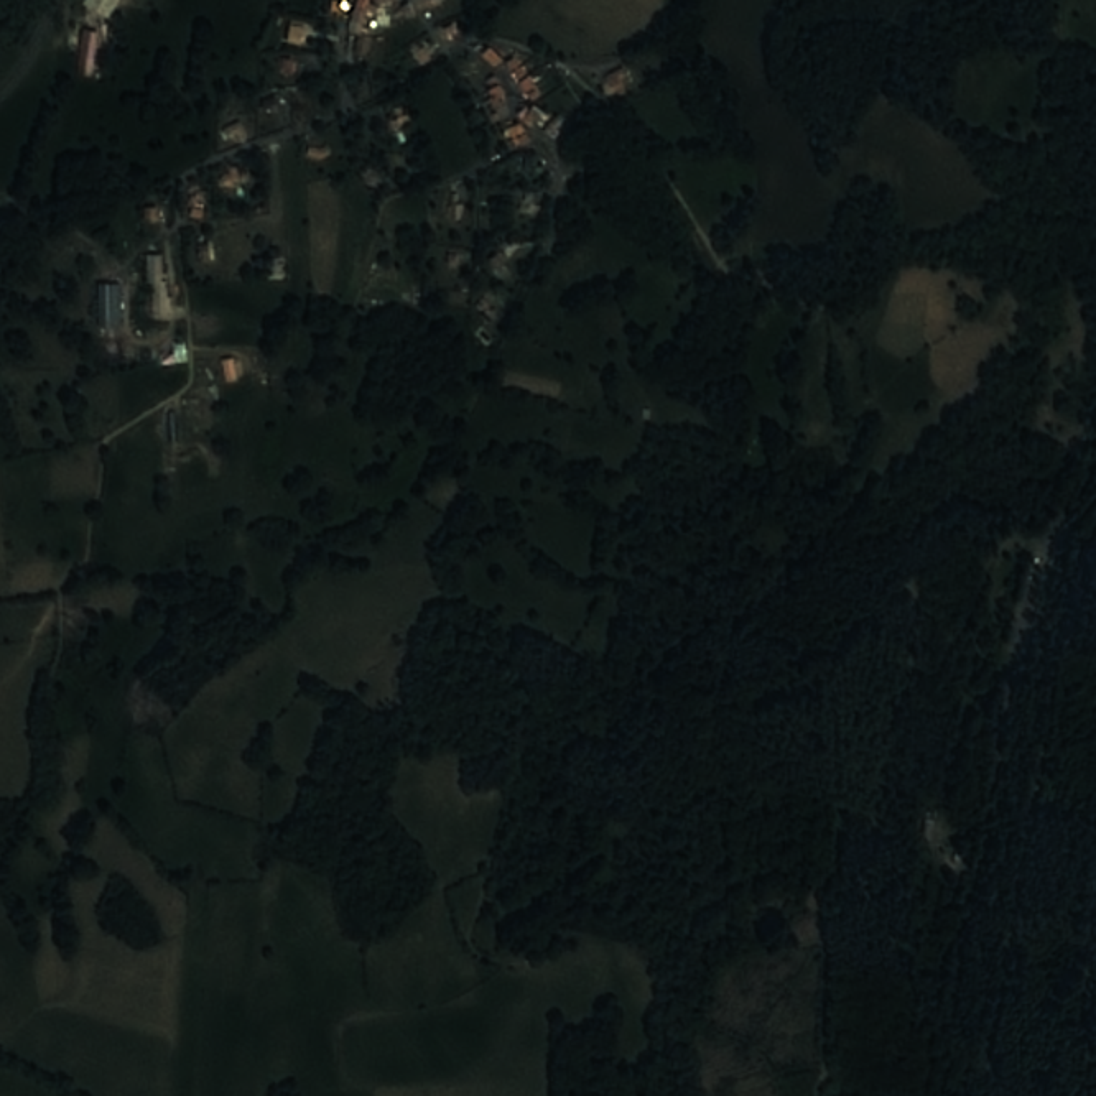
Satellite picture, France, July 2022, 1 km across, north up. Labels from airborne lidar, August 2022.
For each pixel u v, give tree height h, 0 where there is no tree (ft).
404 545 0
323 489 28
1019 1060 90
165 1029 0
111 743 0
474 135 42
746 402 80
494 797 0
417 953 0
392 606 0
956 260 53
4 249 67
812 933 0
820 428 0
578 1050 56
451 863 0
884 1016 25
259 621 42
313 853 36
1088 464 24
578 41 0
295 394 45
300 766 0
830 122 44
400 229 33
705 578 78
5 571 0
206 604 35
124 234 0
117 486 0
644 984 0
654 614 75
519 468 0
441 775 0
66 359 0
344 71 46
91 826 60
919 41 36
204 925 0
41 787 70
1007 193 48
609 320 0
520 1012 0
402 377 52
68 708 0
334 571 42
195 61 41
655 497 66
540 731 74
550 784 70
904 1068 78
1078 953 20
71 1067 0
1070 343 0
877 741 112
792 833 56
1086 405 47
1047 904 19
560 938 39
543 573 66
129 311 0
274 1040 0
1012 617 34
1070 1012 50
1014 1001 86
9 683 0
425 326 40
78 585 58
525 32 0
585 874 49
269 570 0
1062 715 33
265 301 0
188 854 0
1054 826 82
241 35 0
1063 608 63
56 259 0
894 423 0
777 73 58
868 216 44
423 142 50
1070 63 75
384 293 0
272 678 0
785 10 62
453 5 0
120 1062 0
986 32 35
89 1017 0
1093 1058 53
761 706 97
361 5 0
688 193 0
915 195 0
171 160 0
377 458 41
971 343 0
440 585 43
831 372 52
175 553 0
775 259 83
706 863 60
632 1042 0
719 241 54
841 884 75
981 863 21
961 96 0
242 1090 0
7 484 0
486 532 62
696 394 73
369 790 50
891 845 93
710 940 79
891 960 72
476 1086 0
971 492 49
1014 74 0
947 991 90
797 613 52
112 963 0
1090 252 95
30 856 0
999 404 71
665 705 70
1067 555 79
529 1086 0
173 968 0
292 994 0
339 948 0
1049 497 55
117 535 0
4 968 0
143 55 21
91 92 0
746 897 27
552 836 65
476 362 0
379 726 37
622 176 63
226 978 0
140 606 43
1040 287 67
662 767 63
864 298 24
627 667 87
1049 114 57
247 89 53
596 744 82
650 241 51
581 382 0
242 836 0
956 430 72
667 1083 62
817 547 65
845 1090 44
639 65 0
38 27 0
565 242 37
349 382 0
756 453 0
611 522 68
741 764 72
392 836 67
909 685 88
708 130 53
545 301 0
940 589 57
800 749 107
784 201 0
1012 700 26
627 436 0
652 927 35
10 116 0
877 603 61
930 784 71
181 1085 0
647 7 0
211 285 24
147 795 0
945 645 61
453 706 34
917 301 0
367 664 0
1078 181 89
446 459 64
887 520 74
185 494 0
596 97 23
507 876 45
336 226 0
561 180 0
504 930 62
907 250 51
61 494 0
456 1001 0
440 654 35
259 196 30
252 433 0
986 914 80
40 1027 0
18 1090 0
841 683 104
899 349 0
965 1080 86
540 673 70
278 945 0
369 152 35
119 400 0
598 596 30
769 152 0
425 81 48
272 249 26
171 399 0
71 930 68
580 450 0
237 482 0
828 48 29
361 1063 0
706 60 66
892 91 79
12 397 22
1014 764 54
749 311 58
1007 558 38
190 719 0
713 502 106
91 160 61
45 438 35
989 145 52
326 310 29
